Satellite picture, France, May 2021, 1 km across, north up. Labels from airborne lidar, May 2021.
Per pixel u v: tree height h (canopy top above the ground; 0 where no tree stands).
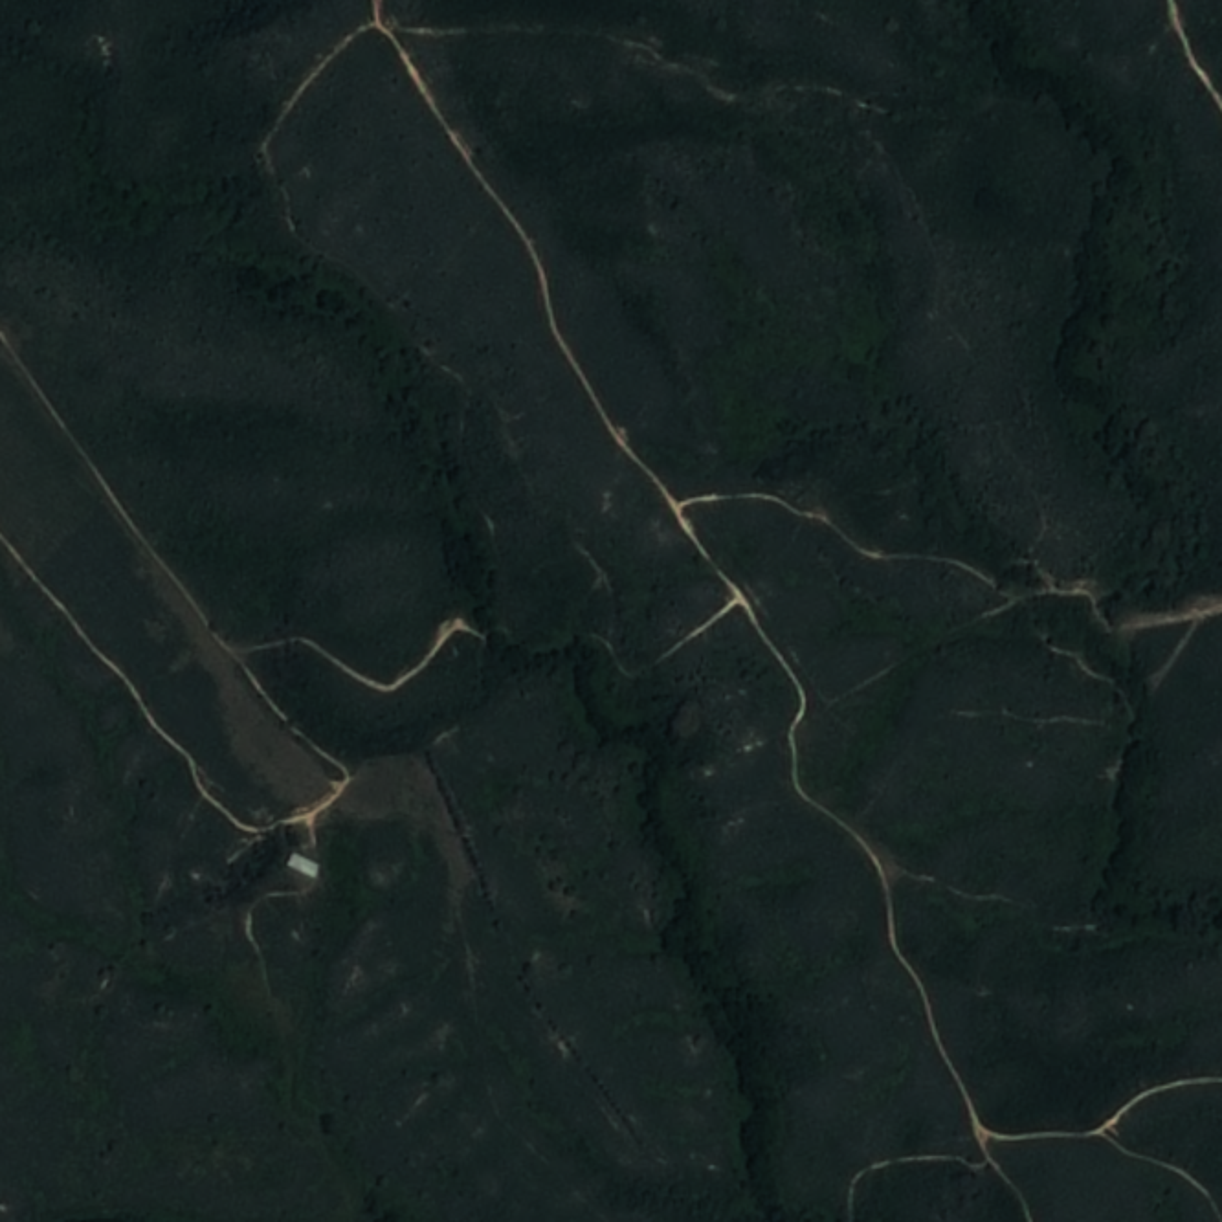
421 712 8
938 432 9
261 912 0
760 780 0
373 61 0
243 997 0
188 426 8
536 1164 0
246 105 7
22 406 0
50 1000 0
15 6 7
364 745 7
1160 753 7
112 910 0
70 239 6
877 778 0
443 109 0
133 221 7
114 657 0
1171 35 0
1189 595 6
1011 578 7
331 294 12
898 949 0
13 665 0
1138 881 6
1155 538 12
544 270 0
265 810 0
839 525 0
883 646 0
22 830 0
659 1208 9
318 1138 0
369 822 0
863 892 0
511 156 5
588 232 5
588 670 15
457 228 0
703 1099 0
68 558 0
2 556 0
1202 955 8
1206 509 8
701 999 8
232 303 8
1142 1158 0
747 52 7
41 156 6
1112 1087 6
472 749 0
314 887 0
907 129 6
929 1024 0
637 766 12
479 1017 0
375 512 7
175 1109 0
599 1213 0
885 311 6
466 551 20
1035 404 6
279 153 0
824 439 8
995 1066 6
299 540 6
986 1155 0
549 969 0
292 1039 0
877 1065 0
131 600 0
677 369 8
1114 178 14
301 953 0
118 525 0
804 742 0
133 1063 0
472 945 0
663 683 8
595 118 7
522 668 9
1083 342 16
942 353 0
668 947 15
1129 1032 6
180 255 5
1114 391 8
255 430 7
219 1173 0
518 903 0
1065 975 6
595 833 0
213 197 11
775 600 0
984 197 12
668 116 6
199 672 0
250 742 0
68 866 0
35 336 0
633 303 5
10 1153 0
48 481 0
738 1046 15
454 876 0
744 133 9
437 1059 0
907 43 11
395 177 0
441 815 0
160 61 8
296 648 6
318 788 0
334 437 8
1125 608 15
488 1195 0
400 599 7
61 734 0
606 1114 0
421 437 23
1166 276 13
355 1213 0
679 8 7
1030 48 7
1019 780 0
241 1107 0
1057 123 6
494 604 10
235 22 12
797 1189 0
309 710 7
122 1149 8
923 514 5
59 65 6
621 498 0
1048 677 7
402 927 0
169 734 0
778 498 0
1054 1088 7
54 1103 0
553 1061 0
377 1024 0
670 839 12
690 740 6
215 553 5
